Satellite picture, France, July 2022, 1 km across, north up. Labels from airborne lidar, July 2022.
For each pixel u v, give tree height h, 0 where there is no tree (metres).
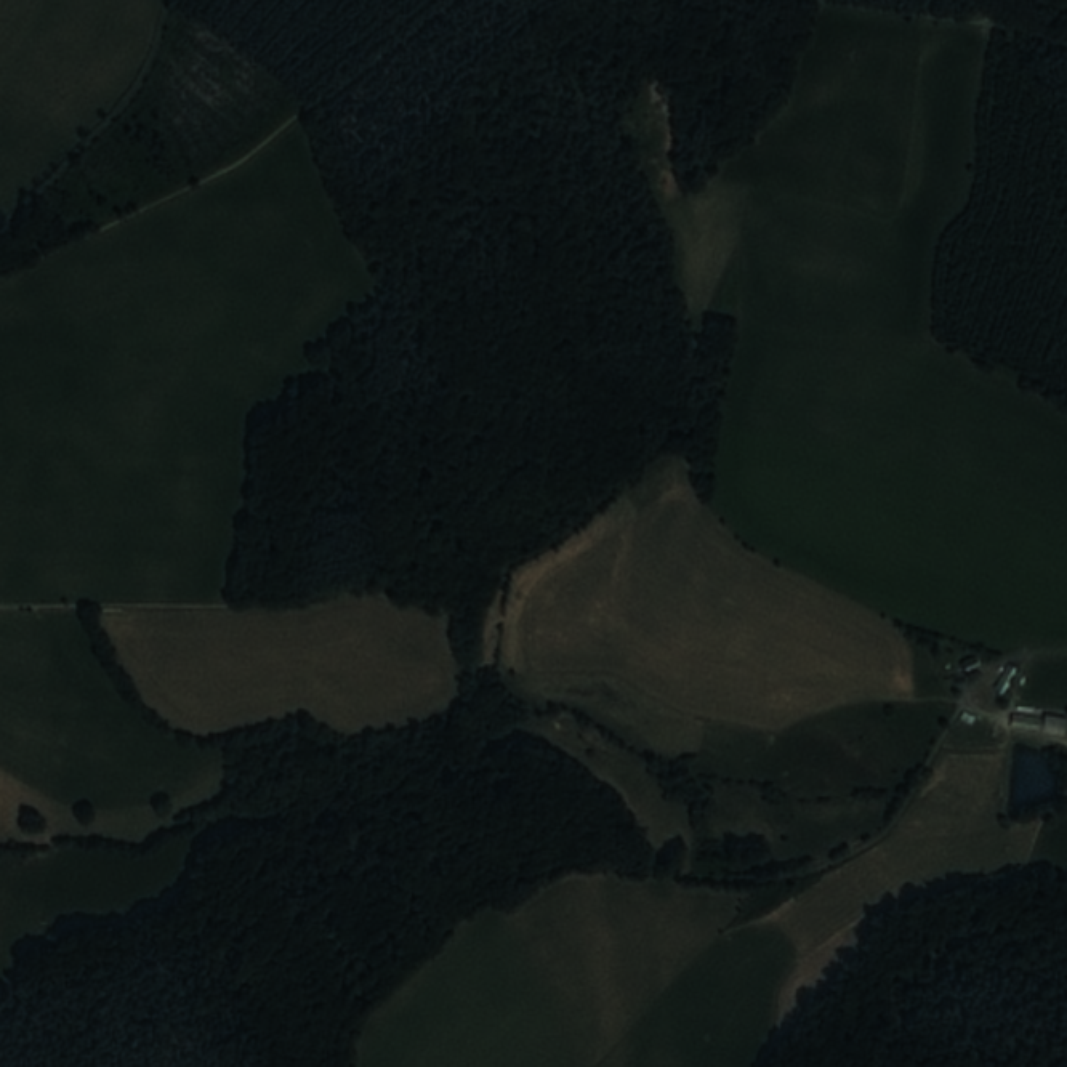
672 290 15
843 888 0
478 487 28
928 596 0
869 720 0
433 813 21
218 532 0
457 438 27
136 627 0
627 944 0
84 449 0
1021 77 8
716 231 0
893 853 0
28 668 0
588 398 20
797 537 0
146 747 0
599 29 21
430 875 23
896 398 0
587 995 0
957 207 0
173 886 0
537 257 23
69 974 17
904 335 0
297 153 0
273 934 27
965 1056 26
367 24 22
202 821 14
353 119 25
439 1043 0
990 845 0
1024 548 0
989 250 10
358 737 7
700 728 0
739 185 0
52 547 0
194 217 0
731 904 0
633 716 0
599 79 11
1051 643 0
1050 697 0
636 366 21
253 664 0
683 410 24
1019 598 0
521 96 18
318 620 0
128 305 0
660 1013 0
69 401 0
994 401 0
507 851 22
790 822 0
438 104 23
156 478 0
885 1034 22
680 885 12
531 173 20
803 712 0
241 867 27
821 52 0
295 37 21
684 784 7
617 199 12
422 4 19
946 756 0
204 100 0
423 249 20
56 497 0
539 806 25
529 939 0
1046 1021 21
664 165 0
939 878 0
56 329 0
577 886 0
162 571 0
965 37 0
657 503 0
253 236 0
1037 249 7
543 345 21
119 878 0
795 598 0
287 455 27
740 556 0
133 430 0
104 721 0
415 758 19
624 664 0
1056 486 0
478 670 10
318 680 0
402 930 24
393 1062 0
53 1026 22
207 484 0
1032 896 23
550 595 0
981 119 9
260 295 0
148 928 23
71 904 0
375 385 24
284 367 0
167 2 14
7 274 14
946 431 0
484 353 18
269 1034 25
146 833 0
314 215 0
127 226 0
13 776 0
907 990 25
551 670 0
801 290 0
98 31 0
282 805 18
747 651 0
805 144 0
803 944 0
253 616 0
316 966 25
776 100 16
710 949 0
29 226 19
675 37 22
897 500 0
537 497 25
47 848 6
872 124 0
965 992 27
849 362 0
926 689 0
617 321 16
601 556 0
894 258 0
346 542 29
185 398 0
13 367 0
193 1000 25
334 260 0
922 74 0
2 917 0
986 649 7
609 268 17
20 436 0
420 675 0
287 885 9
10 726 0
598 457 23
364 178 21
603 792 21
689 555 0
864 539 0
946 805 0
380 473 18
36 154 0
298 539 22
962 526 0
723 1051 0
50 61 0
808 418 0
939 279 7
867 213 0
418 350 24
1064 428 0
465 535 25
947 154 0
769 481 0
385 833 21
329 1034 26
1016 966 28
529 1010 0
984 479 0
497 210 23
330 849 25
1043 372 9
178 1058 23
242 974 25
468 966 0
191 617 0
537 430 21
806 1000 21
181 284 0
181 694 0
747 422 0
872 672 0
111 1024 23
